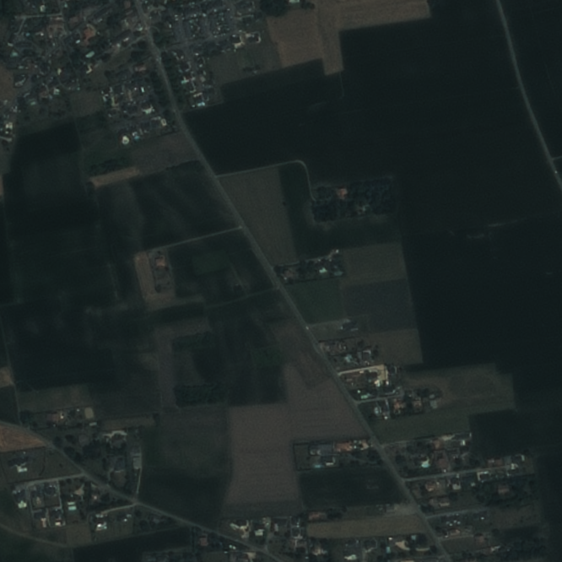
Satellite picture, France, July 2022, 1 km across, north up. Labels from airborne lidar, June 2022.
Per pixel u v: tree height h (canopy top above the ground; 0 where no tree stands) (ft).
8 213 0
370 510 0
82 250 0
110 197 0
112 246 0
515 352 0
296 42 0
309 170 0
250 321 0
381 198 46
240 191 0
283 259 0
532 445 0
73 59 59
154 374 0
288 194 0
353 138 0
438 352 0
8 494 0
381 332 0
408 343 0
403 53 0
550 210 0
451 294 0
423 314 0
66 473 0
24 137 0
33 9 0
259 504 0
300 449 0
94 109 0
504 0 0
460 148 0
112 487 23
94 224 0
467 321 0
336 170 0
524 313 0
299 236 0
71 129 0
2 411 0
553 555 0
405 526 0
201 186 0
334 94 0
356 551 0
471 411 0
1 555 0
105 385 0
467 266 0
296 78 0
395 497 0
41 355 0
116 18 30
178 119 0
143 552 0
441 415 0
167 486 0
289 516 0
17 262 0
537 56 0
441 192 0
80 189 0
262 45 0
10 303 0
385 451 0
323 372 0
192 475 0
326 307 0
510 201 0
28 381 0
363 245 0
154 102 31
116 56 0
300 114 0
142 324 0
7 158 0
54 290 0
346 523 0
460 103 0
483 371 0
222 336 0
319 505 0
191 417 0
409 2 0
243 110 0
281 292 0
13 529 0
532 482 34
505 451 0
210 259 0
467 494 0
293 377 0
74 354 0
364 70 0
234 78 0
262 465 0
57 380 0
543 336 0
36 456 0
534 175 0
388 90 0
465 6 0
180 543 0
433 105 0
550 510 0
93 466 0
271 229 0
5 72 0
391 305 0
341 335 0
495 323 0
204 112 0
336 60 0
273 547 0
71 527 0
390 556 48
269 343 0
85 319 0
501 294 0
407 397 29
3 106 0
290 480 0
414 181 0
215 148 0
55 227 0
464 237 0
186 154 0
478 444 0
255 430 0
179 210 0
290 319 0
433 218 0
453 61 0
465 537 0
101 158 0
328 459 0
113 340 0
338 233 0
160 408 0
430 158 0
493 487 26
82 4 26
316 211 69
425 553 45
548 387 0
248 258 0
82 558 0
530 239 0
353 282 0
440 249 0
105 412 0
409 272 0
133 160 0
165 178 0
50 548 0
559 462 0
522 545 31
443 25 0
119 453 17
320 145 0
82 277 0
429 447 27
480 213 0
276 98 0
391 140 0
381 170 0
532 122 0
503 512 0
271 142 0
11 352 0
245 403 0
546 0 0
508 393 0
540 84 0
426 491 28
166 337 0
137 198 0
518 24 0
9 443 0
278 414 0
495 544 0
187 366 0
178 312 0
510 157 0
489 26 0
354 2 0
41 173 0
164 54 35
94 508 48
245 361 0
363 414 0
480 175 0
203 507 0
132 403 0
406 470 21
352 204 42
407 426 0
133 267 0
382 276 0
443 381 0
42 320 0
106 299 0
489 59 0
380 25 0
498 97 0
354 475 0
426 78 0
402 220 0
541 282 0
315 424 0
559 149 0
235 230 0
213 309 0
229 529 0
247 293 0
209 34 0
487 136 0
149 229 0
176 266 0
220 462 0
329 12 0
